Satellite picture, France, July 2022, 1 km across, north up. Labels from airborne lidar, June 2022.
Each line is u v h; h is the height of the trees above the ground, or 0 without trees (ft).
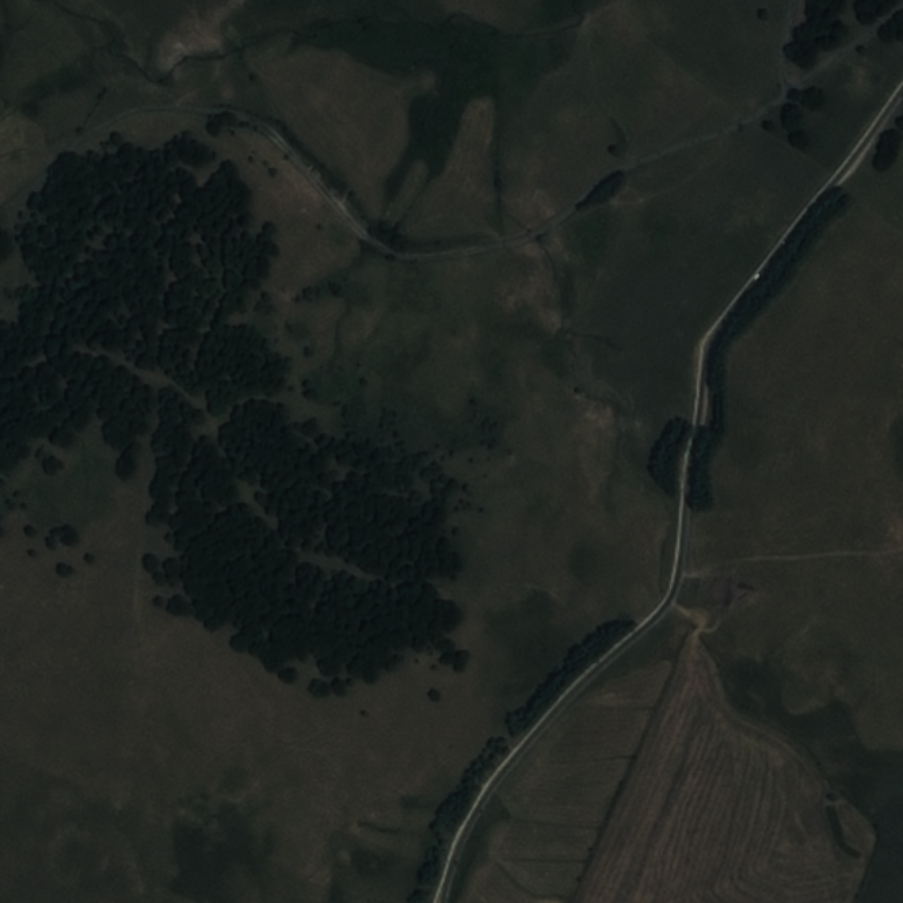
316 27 0
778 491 0
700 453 68
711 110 0
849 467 0
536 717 46
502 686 0
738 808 0
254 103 0
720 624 0
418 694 0
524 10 0
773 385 0
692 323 0
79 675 0
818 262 0
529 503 0
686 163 0
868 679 0
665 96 0
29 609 0
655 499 0
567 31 0
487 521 0
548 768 0
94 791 0
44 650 0
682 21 0
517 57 0
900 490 0
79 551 0
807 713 0
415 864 0
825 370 0
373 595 54
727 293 0
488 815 0
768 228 0
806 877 0
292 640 56
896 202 0
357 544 44
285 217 0
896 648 0
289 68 0
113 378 47
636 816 0
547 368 0
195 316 56
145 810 0
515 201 0
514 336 0
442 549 50
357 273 0
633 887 0
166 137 0
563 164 0
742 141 0
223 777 0
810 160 0
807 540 0
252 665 0
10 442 38
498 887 0
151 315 41
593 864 0
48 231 47
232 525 63
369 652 62
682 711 0
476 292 0
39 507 0
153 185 54
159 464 32
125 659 0
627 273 0
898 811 0
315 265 0
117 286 33
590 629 0
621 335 0
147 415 43
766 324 0
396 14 0
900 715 0
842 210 53
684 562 0
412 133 0
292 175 0
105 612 0
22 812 0
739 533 0
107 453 0
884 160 44
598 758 0
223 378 54
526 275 0
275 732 0
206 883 0
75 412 34
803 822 0
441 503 30
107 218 53
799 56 55
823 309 0
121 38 0
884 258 0
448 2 0
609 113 0
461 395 0
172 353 46
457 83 0
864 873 0
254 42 0
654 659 0
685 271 0
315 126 0
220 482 80
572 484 0
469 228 0
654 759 0
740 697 0
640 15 0
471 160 0
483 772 47
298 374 0
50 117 0
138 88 0
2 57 0
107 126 0
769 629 0
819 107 37
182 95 0
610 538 0
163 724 0
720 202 0
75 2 0
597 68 0
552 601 0
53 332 51
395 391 0
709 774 0
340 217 0
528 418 0
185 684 0
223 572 63
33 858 0
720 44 0
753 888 0
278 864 0
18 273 0
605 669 0
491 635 0
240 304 53
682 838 0
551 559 0
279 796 0
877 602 0
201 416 53
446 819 53
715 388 67
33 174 0
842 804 0
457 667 32
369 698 0
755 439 0
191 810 0
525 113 0
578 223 0
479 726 0
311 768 0
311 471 46
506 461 0
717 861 0
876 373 0
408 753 0
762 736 0
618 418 0
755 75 0
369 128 0
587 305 0
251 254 59
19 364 53
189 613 32
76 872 0
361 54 0
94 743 0
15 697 0
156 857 0
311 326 0
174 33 0
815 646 0
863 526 0
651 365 0
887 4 38
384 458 37
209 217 62
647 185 0
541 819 0
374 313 0
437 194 0
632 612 0
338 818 0
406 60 0
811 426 0
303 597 64
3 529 34
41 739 0
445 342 0
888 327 0
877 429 0
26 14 0
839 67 0
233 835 0
